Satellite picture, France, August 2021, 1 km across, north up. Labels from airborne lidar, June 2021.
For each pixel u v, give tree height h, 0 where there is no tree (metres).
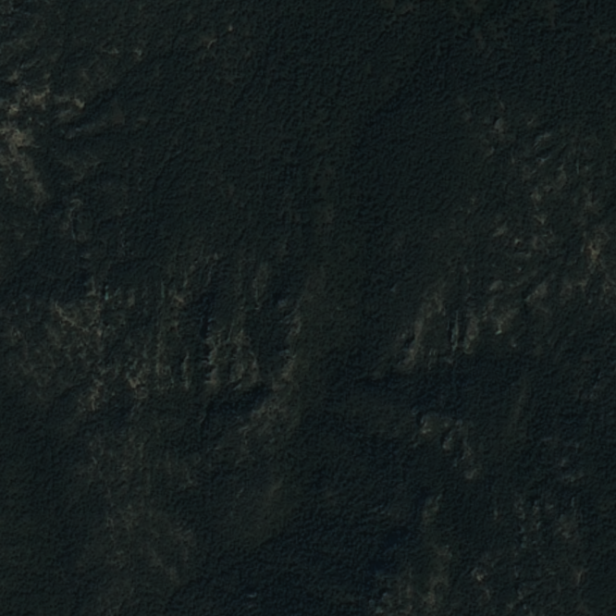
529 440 6
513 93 8
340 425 11
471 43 13
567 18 8
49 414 7
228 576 7
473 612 7
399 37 9
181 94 6
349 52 6
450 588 7
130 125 6
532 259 6
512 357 6
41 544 10
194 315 8
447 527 10
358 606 7
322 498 6
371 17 8
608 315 7
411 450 10
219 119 5
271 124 6
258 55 10
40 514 9
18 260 6
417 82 15
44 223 8
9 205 6
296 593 9
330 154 7
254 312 11
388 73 9
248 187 7
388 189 9
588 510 6
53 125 7
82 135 7
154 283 7
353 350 10
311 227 11
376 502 5
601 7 9
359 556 7
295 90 9
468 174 7
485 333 6
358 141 11
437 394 8
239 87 10
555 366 8
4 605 8
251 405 7
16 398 8
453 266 5
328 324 8
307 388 12
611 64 12
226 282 7
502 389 6
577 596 7
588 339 9
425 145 7
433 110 6
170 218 7
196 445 12
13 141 0
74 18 7
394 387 8
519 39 11
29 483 7
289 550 7
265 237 9
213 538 11
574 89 8
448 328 6
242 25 8
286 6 6
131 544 6
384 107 9
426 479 6
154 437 8
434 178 7
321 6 7
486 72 12
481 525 6
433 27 8
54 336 0
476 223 6
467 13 9
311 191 9
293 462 11
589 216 6
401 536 6
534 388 7
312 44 9
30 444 9
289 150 8
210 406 7
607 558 6
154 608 6
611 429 6
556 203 5
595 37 7
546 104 11
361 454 7
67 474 7
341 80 10
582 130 6
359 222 11
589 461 8
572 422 8
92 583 7
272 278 10
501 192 6
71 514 7
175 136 8
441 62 12
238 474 6
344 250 8
